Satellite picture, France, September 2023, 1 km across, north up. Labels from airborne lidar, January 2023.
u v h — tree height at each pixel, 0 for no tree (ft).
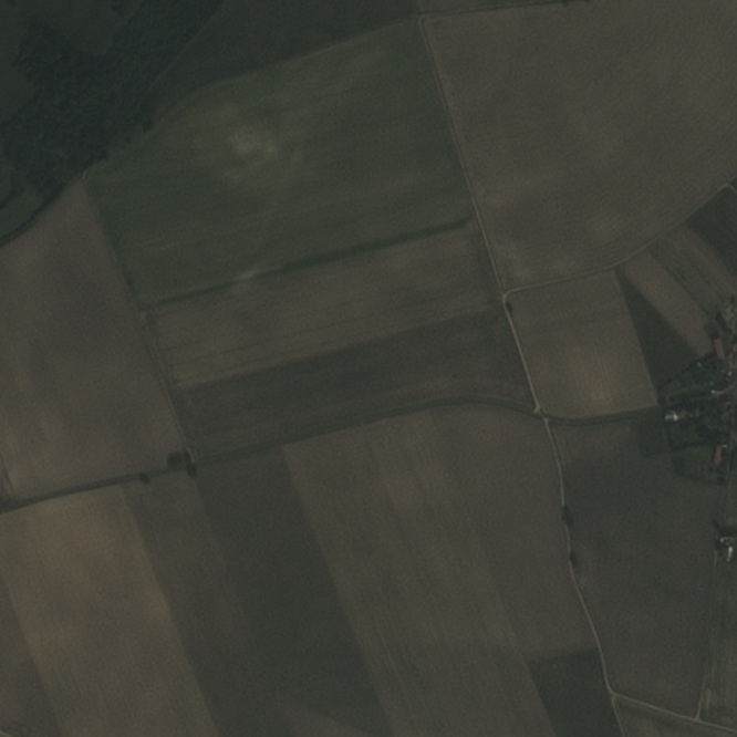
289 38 0
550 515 0
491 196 0
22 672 0
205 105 0
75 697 0
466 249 0
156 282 0
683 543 0
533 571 0
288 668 0
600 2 0
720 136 0
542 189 0
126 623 0
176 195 0
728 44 0
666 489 0
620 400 0
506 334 0
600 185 0
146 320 0
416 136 0
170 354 0
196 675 0
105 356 0
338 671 0
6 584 0
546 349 0
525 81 0
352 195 0
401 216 0
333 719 0
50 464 0
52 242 0
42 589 0
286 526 0
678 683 0
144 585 0
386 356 0
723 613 0
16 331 0
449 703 0
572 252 0
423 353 0
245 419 0
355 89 0
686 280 0
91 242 0
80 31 0
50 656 0
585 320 0
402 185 0
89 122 32
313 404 0
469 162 0
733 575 0
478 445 0
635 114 0
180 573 0
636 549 0
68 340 0
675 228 0
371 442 0
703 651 0
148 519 0
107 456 0
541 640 0
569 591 0
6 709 0
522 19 0
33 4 0
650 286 0
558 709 0
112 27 0
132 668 0
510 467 0
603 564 0
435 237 0
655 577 0
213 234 0
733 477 0
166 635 0
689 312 0
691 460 0
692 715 0
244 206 0
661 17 0
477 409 0
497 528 0
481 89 0
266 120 0
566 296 0
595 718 0
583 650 0
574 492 0
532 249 0
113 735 0
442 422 0
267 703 0
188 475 27
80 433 0
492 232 0
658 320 0
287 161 0
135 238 0
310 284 0
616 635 0
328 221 0
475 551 0
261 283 0
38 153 17
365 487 0
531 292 0
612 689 0
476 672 0
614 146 0
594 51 0
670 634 0
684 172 0
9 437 0
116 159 0
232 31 0
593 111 0
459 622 0
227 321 0
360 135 0
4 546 0
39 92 31
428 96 0
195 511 0
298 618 0
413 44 0
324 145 0
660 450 0
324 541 0
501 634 0
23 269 0
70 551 0
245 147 0
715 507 0
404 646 0
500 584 0
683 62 0
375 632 0
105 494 0
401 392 0
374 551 0
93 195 0
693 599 0
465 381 0
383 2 0
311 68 0
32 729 0
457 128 0
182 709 0
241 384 0
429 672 0
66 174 0
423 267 0
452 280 0
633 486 0
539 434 0
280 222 0
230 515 0
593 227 0
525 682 0
